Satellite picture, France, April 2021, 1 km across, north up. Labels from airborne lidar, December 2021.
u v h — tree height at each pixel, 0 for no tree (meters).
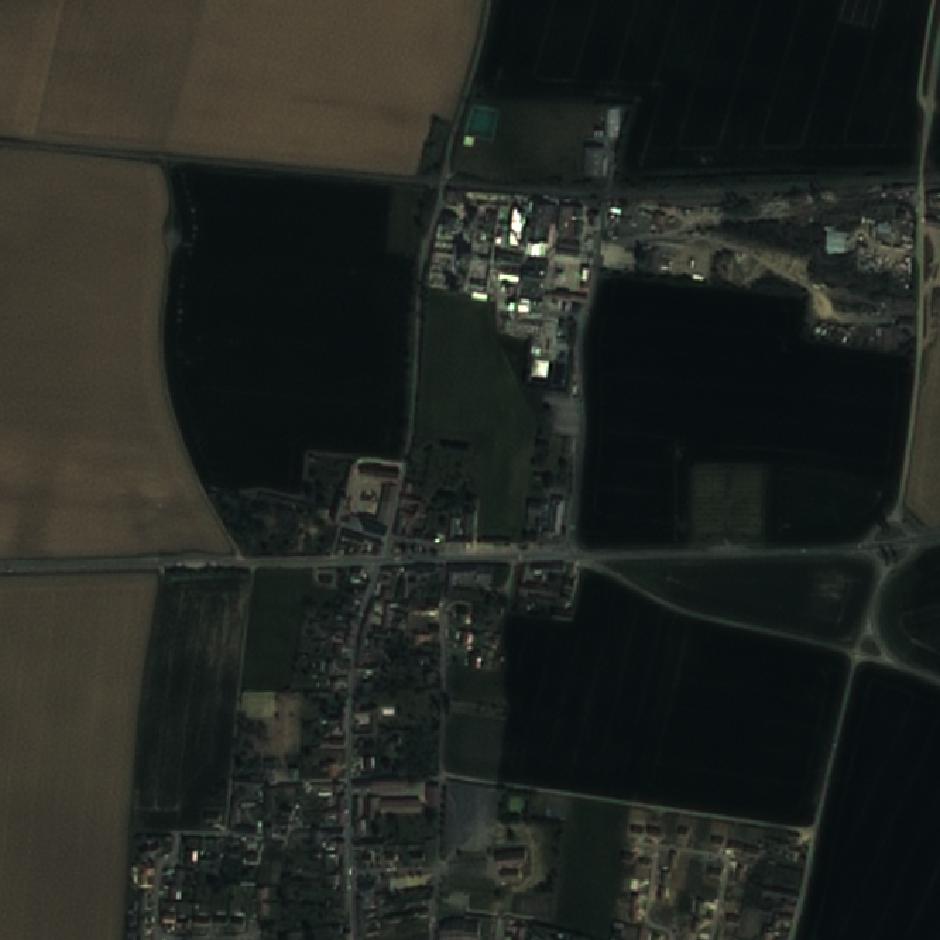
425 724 9
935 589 0
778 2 0
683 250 0
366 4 0
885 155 0
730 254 8
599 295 0
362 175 0
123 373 0
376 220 0
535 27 0
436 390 0
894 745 0
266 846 0
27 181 0
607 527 0
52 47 0
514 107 0
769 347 0
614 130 0
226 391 0
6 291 0
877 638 0
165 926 0
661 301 0
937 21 0
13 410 0
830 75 0
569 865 0
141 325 0
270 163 0
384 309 0
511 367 0
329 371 0
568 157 0
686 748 0
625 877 0
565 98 0
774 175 7
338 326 0
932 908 0
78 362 0
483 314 0
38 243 0
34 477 0
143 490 0
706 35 0
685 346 0
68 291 0
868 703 0
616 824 0
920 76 0
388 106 0
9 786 0
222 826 0
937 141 0
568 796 0
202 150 0
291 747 0
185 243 0
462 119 0
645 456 0
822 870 0
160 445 0
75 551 0
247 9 0
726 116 0
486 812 0
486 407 0
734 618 0
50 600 0
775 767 0
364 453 0
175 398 0
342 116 0
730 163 0
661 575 0
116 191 0
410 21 0
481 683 0
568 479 10
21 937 0
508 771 0
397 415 0
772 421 0
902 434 0
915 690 0
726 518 0
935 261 0
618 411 0
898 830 0
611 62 0
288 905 8
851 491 0
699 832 0
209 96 0
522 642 0
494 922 0
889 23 0
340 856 0
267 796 0
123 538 0
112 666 0
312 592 0
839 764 0
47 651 0
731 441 0
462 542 0
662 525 0
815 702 0
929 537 0
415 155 0
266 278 0
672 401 0
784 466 0
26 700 0
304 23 0
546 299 0
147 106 0
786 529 0
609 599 0
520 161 0
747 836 0
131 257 0
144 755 0
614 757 0
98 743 0
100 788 0
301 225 0
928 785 0
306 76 0
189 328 0
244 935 0
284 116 0
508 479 0
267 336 0
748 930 0
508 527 0
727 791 0
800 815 0
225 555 0
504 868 0
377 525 0
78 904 0
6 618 0
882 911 0
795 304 0
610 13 0
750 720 0
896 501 0
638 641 0
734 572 0
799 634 0
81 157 0
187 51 0
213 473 0
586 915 0
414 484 6
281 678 0
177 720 0
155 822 0
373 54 0
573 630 0
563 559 0
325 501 12
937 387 0
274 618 0
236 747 9
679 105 0
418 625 0
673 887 0
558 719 0
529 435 0
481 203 7
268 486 0
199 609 0
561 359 0
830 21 0
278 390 0
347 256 0
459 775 0
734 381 0
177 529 0
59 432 0
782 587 0
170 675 0
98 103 0
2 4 0
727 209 8
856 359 0
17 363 0
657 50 0
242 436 0
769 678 0
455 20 0
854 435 0
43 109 0
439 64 0
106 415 0
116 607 0
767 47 0
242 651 0
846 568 0
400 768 11
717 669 0
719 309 0
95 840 0
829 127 0
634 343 0
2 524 0
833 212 0
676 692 0
